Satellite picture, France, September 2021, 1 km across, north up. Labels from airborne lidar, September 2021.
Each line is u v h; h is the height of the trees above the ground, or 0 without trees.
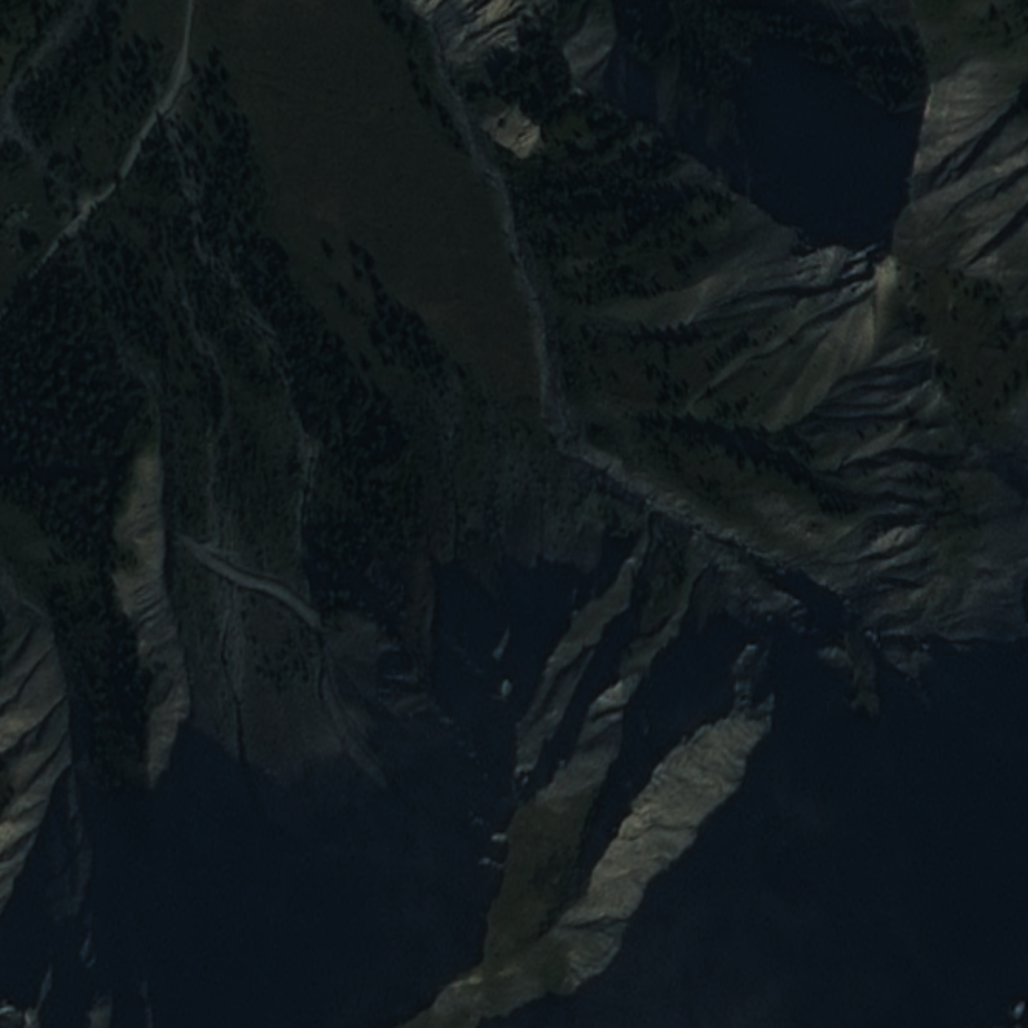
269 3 0
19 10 11
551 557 0
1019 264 0
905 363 0
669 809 0
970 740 0
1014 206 0
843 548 0
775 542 0
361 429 6
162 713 0
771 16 15
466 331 0
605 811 0
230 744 0
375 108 0
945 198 0
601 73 0
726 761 0
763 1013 0
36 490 16
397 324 16
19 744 0
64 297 9
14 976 0
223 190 8
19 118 8
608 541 0
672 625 0
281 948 0
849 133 0
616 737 0
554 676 0
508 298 0
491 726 0
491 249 0
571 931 0
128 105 8
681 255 0
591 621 0
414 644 0
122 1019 0
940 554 0
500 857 0
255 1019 0
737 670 0
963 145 0
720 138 0
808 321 0
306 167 0
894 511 0
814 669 0
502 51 0
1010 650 0
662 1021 0
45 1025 0
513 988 0
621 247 13
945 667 0
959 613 0
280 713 0
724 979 0
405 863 0
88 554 8
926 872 0
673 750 0
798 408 0
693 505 0
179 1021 0
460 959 0
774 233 0
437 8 0
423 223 0
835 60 8
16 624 0
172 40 0
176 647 0
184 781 0
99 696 7
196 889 0
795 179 0
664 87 0
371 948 0
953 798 0
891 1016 0
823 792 0
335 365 10
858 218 0
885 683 0
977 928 0
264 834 0
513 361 0
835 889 0
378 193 0
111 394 7
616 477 0
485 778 0
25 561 0
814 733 0
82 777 0
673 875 0
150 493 0
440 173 0
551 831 0
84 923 0
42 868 0
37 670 0
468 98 6
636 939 0
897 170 0
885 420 0
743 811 0
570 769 0
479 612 0
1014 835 0
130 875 0
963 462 0
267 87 0
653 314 0
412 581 0
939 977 0
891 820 0
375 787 0
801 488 11
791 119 0
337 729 0
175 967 0
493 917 0
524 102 6
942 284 0
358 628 0
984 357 0
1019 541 0
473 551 0
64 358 7
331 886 0
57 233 0
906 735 0
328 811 0
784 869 0
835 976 0
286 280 8
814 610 0
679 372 0
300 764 0
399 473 7
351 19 0
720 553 0
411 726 0
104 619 7
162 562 0
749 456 0
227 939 0
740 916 0
